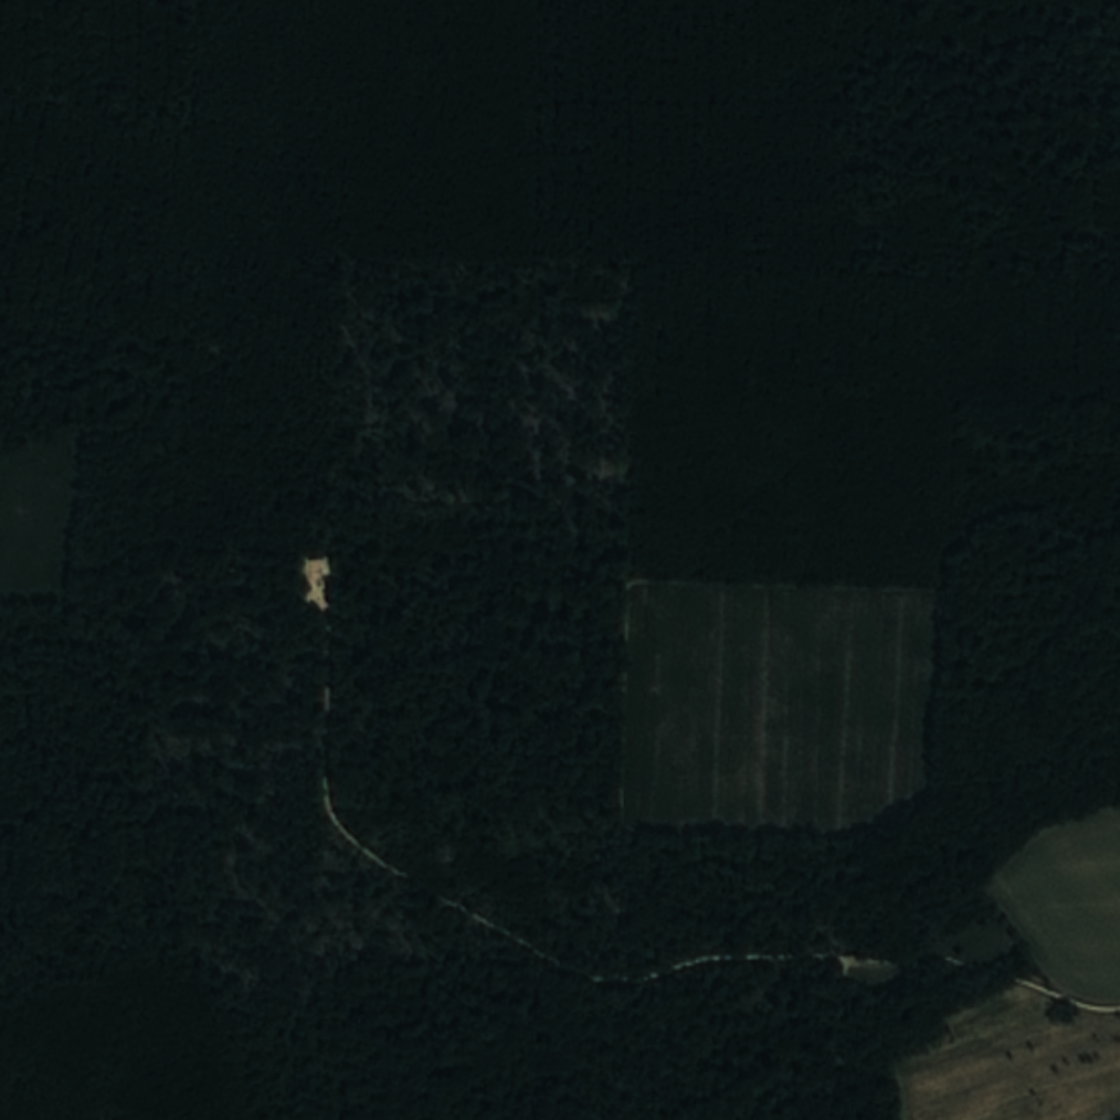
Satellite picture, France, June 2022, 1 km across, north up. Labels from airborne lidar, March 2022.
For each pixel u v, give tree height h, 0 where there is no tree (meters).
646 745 0
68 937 20
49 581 0
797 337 18
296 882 22
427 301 26
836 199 18
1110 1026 0
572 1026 18
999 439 20
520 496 23
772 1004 20
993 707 22
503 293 16
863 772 0
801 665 0
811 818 0
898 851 19
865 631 0
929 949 14
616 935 20
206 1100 15
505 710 26
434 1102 18
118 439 22
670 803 0
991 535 23
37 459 0
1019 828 14
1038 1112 0
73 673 22
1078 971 0
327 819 16
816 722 0
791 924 22
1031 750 20
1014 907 0
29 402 20
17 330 13
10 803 20
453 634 0
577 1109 18
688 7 18
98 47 6
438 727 22
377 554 22
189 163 11
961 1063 0
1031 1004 0
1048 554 21
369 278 24
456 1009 16
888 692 0
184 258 14
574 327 25
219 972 21
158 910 18
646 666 0
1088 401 21
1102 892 0
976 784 20
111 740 20
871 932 18
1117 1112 0
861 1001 20
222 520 12
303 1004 17
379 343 15
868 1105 15
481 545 21
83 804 23
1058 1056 0
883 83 22
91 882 20
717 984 16
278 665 22
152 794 19
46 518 0
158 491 18
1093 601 28
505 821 20
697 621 0
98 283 12
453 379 26
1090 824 0
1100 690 21
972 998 19
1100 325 16
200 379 12
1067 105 24
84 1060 11
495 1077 20
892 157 20
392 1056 19
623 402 24
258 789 23
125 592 20
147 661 24
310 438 11
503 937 16
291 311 14
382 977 17
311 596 0
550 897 21
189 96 8
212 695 21
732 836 21
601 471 0
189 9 19
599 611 24
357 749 22
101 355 23
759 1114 21
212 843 21
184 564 21
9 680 21
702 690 0
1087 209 0
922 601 0
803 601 0
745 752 0
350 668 21
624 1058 14
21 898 23
